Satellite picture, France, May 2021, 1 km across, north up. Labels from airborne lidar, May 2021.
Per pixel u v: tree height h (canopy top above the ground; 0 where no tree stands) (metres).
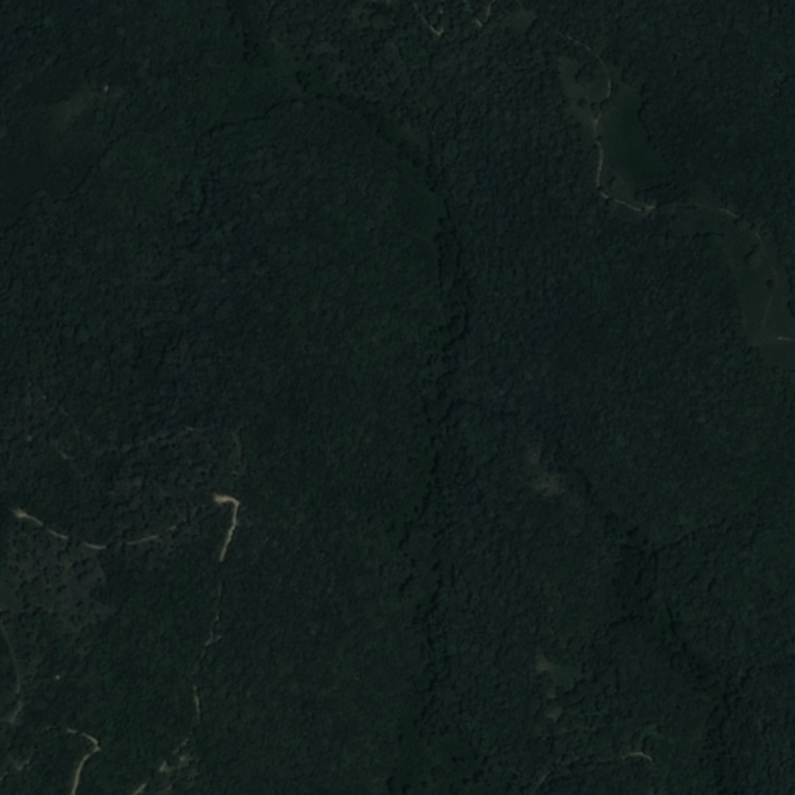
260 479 8
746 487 11
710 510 14
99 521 13
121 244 10
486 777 18
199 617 10
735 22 16
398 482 11
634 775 8
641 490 11
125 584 7
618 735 13
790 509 11
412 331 15
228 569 12
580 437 14
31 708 9
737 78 12
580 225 7
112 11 10
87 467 12
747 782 8
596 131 0
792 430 7
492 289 14
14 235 10
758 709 14
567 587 12
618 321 8
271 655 9
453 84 10
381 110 18
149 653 6
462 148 12
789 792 11
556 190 9
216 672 16
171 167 13
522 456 7
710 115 9
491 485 15
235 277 11
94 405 8
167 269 12
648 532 13
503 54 7
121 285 9
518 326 13
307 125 13
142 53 11
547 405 8
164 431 8
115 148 12
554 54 7
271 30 11
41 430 15
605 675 13
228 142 15
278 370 12
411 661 20
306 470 9
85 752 13
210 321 8
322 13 9
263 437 9
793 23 15
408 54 10
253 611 12
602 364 11
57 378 13
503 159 16
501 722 12
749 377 7
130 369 12
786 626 14
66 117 0
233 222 13
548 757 16
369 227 12
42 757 8
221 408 7
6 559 9
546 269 14
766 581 11
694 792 13
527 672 9
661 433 8
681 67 15
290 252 9
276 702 16
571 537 10
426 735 11
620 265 10
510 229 9
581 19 8
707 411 8
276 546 11
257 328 10
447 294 14
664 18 10
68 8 9
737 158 11
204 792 8
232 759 8
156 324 9
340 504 11
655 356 8
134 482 14
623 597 23
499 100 8
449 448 23
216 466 12
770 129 12
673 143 7
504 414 11
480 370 9
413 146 11
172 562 10
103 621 9
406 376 19
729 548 12
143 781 10
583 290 10
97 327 16
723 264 11
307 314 7
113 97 7
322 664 15
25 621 11
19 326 8
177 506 15
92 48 8
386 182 10
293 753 13
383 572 20
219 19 12
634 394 12
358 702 15
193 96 10
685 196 9
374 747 12
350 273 10
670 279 10
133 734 10
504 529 13
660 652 18
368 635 16
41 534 11
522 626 10
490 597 15
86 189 8
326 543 15
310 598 11
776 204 8
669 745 12
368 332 12
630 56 8
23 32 14
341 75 7
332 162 12
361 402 15
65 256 12
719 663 7
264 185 14
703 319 8
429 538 24
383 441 11
